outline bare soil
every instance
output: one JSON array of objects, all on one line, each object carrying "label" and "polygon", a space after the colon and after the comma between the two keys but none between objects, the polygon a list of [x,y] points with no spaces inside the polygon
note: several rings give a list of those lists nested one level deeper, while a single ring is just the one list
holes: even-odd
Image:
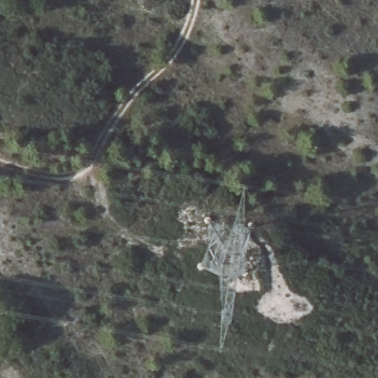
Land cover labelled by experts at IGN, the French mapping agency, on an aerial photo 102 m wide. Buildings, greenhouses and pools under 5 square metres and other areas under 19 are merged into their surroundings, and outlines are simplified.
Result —
[{"label": "bare soil", "polygon": [[312,303],[306,297],[294,294],[286,286],[282,273],[279,272],[275,251],[269,245],[266,245],[266,250],[269,252],[272,266],[272,291],[263,295],[258,303],[258,312],[275,322],[286,323],[310,315],[313,309]]}]

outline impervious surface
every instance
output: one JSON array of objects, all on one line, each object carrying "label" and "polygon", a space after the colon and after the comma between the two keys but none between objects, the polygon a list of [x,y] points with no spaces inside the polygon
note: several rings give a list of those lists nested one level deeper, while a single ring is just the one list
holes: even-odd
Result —
[{"label": "impervious surface", "polygon": [[180,223],[183,224],[183,238],[177,239],[179,248],[192,248],[198,242],[207,242],[207,251],[201,263],[198,263],[198,270],[214,273],[219,276],[219,281],[226,282],[236,291],[258,291],[260,282],[252,264],[260,263],[261,258],[245,255],[248,248],[255,248],[255,242],[251,241],[252,223],[244,224],[245,195],[241,195],[238,207],[226,207],[220,211],[221,207],[216,208],[216,205],[207,213],[195,205],[183,208],[179,213]]}]

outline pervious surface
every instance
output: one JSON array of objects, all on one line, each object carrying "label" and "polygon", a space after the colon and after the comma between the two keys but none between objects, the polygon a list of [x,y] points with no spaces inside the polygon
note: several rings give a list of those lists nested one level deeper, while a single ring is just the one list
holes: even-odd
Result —
[{"label": "pervious surface", "polygon": [[190,38],[195,27],[201,0],[190,0],[190,9],[180,31],[185,38]]},{"label": "pervious surface", "polygon": [[173,66],[174,61],[168,61],[162,68],[146,72],[145,77],[137,81],[136,86],[148,87],[151,81],[158,80]]}]

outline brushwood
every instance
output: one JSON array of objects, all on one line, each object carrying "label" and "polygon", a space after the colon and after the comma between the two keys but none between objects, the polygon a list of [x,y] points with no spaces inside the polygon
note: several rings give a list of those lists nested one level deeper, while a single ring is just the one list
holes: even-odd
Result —
[{"label": "brushwood", "polygon": [[6,357],[0,368],[0,378],[80,378],[77,369],[65,369],[59,365],[59,351],[52,344],[32,351],[22,350],[13,357]]},{"label": "brushwood", "polygon": [[22,159],[27,164],[38,159],[44,162],[43,168],[49,173],[69,173],[74,176],[86,168],[81,164],[81,158],[87,149],[84,143],[78,148],[71,145],[68,131],[78,124],[81,126],[99,123],[106,114],[106,103],[103,100],[94,100],[93,96],[99,93],[96,81],[100,78],[105,81],[111,80],[108,59],[103,53],[90,52],[83,44],[65,43],[62,50],[52,49],[49,43],[43,43],[37,38],[37,31],[43,30],[38,15],[31,10],[12,21],[0,15],[0,157],[16,161]]},{"label": "brushwood", "polygon": [[329,282],[316,291],[317,300],[325,307],[343,310],[348,304],[353,309],[356,292],[362,294],[365,300],[368,298],[371,301],[378,291],[378,224],[377,219],[369,219],[366,223],[354,227],[351,226],[350,219],[346,223],[341,221],[329,235],[323,235],[323,239],[334,239],[335,244],[340,245],[340,250],[344,252],[346,258],[338,266],[344,270],[343,278],[337,278],[332,270],[328,270]]},{"label": "brushwood", "polygon": [[15,179],[0,177],[0,196],[15,195],[16,198],[21,198],[24,188],[21,185],[21,176]]},{"label": "brushwood", "polygon": [[216,205],[216,192],[210,195],[202,188],[204,179],[198,174],[190,176],[185,162],[171,159],[170,167],[164,168],[159,165],[158,159],[149,157],[149,179],[145,179],[143,171],[139,174],[128,174],[124,179],[109,179],[105,189],[109,213],[114,214],[115,219],[127,227],[131,235],[149,236],[165,241],[177,239],[183,238],[183,224],[180,223],[179,213],[183,208],[195,205],[207,213]]}]

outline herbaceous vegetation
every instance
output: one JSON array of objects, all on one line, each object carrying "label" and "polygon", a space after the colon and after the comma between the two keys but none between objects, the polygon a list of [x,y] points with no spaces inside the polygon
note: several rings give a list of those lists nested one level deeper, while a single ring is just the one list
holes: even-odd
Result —
[{"label": "herbaceous vegetation", "polygon": [[[340,245],[335,244],[334,239],[323,239],[323,235],[329,235],[341,221],[346,223],[350,219],[351,226],[354,227],[366,223],[369,219],[377,219],[378,224],[378,0],[201,0],[195,27],[190,38],[185,38],[180,31],[190,9],[190,0],[44,0],[50,10],[44,15],[38,15],[43,30],[37,31],[37,38],[43,43],[49,43],[52,49],[62,50],[65,43],[83,44],[90,52],[103,53],[108,59],[111,80],[105,81],[100,78],[96,81],[99,93],[93,96],[94,100],[103,100],[106,103],[106,114],[99,123],[81,126],[78,124],[68,131],[71,145],[78,148],[84,143],[87,149],[81,158],[81,164],[86,168],[74,176],[69,173],[49,173],[43,168],[44,162],[38,159],[27,164],[22,159],[16,161],[0,157],[0,177],[15,179],[21,176],[21,185],[24,188],[21,198],[16,198],[15,195],[0,196],[0,285],[15,289],[30,300],[30,320],[18,323],[15,329],[22,350],[32,351],[52,344],[59,351],[59,365],[65,369],[77,369],[80,378],[378,378],[378,291],[371,301],[368,298],[365,300],[362,294],[356,292],[353,309],[348,304],[343,310],[325,307],[323,312],[316,312],[313,309],[310,315],[286,323],[275,322],[258,312],[258,303],[263,295],[272,291],[272,266],[269,252],[266,250],[266,245],[269,245],[269,227],[288,229],[292,244],[303,252],[307,261],[316,263],[323,257],[329,263],[338,266],[346,258],[344,252],[340,250]],[[158,80],[151,81],[148,87],[136,86],[137,81],[145,77],[146,72],[162,68],[168,61],[174,61],[173,66]],[[158,159],[159,165],[164,168],[170,167],[171,159],[164,140],[157,139],[159,127],[176,127],[176,118],[186,109],[196,109],[196,106],[204,108],[208,124],[216,130],[219,139],[229,137],[238,151],[250,152],[250,173],[239,180],[241,185],[247,186],[245,195],[244,224],[252,223],[251,241],[255,242],[255,248],[248,248],[245,255],[261,258],[260,263],[252,264],[260,282],[258,291],[236,291],[226,282],[219,281],[219,276],[214,273],[198,270],[198,263],[201,263],[207,251],[207,242],[198,242],[192,248],[179,248],[177,239],[165,241],[149,236],[131,235],[127,227],[115,219],[114,214],[109,213],[105,189],[109,179],[124,179],[128,174],[139,174],[143,171],[145,179],[149,179],[149,157]],[[315,157],[297,154],[298,134],[301,133],[306,133],[313,145],[317,146]],[[306,204],[307,188],[315,179],[322,180],[322,192],[328,198],[328,207]]]}]

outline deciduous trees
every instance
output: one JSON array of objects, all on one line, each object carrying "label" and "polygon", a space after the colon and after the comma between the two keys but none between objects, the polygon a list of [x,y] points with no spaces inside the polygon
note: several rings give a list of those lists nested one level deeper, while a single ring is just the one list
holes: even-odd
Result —
[{"label": "deciduous trees", "polygon": [[229,137],[219,139],[216,130],[208,124],[204,108],[196,106],[196,109],[186,109],[176,118],[176,127],[159,127],[157,139],[164,140],[171,159],[185,162],[190,176],[198,174],[204,179],[202,188],[210,195],[216,192],[216,205],[216,208],[221,207],[220,211],[226,207],[238,207],[241,195],[245,195],[247,186],[241,185],[239,180],[250,173],[250,152],[238,151]]},{"label": "deciduous trees", "polygon": [[44,15],[50,10],[44,0],[0,0],[0,15],[12,21],[31,10],[38,15]]},{"label": "deciduous trees", "polygon": [[307,188],[306,204],[328,207],[328,198],[322,192],[322,180],[315,179]]},{"label": "deciduous trees", "polygon": [[298,134],[297,154],[315,157],[317,146],[313,145],[306,133],[301,133]]},{"label": "deciduous trees", "polygon": [[13,357],[22,350],[15,329],[18,323],[30,320],[30,300],[15,289],[0,285],[0,368],[6,357]]},{"label": "deciduous trees", "polygon": [[275,251],[279,272],[282,273],[286,286],[294,294],[306,297],[312,303],[313,309],[316,312],[323,312],[325,307],[317,300],[316,291],[329,282],[328,270],[332,270],[337,278],[343,278],[344,270],[338,266],[329,263],[323,257],[316,263],[307,261],[303,252],[292,244],[288,229],[269,227],[269,245]]}]

